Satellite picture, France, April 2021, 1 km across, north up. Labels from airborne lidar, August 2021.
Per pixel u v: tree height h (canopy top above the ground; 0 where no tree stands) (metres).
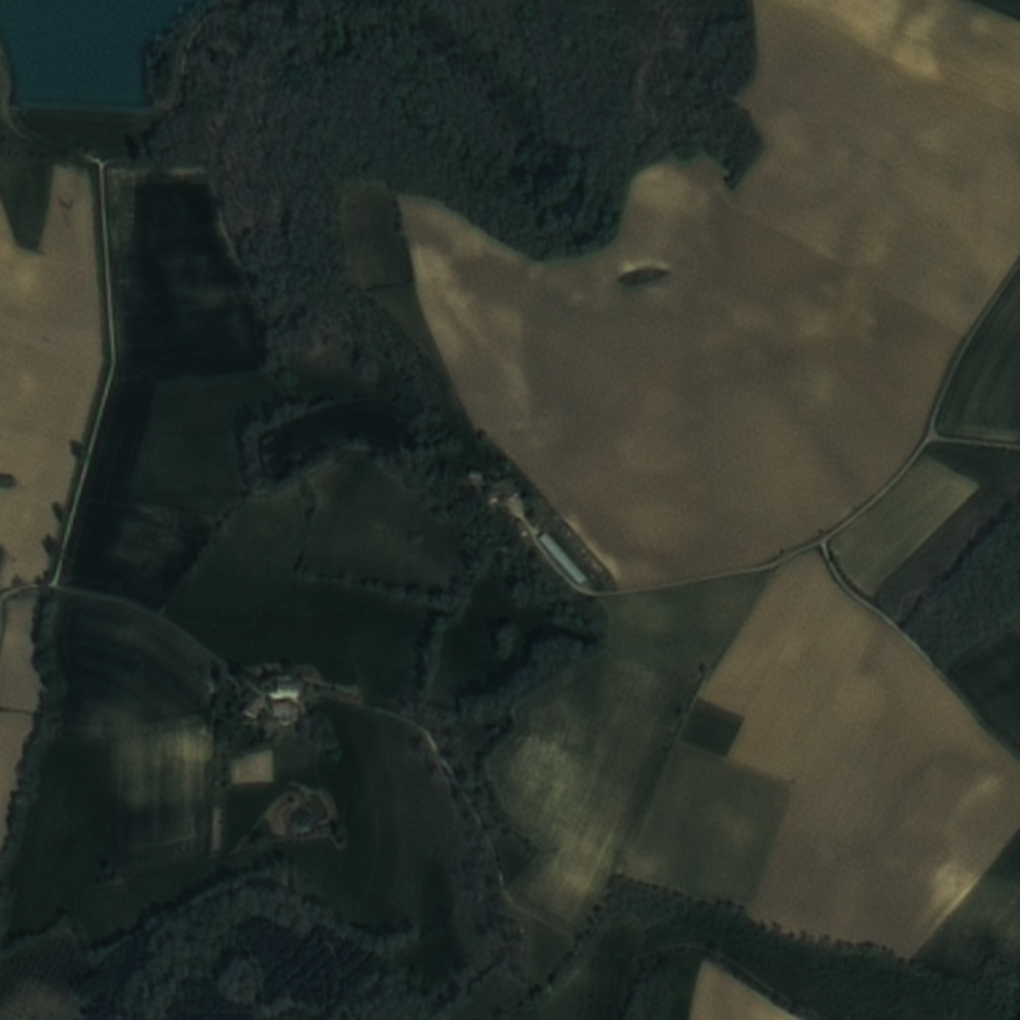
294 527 0
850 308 0
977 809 0
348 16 28
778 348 0
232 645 0
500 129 20
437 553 0
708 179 0
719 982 0
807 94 0
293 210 18
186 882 0
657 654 0
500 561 11
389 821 0
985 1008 9
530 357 0
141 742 0
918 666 0
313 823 0
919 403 0
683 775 0
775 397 0
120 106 0
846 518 0
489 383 0
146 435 0
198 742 0
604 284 0
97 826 0
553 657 22
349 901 0
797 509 0
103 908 0
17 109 0
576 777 0
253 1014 11
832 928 0
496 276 0
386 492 0
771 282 0
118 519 0
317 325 11
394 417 0
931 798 0
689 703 0
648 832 0
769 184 0
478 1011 0
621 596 0
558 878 0
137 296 0
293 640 0
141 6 0
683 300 0
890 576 0
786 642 0
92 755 0
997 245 0
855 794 0
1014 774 0
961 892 0
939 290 0
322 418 0
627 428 0
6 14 0
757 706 0
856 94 0
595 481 0
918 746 0
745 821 0
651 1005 21
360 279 0
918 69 0
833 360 0
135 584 0
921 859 0
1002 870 0
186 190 0
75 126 0
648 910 16
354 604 0
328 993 8
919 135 0
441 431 7
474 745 0
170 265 0
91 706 0
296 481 19
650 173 0
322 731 19
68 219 0
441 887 0
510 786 0
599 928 16
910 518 0
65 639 0
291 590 0
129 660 0
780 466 0
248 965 21
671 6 14
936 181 0
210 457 0
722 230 0
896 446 0
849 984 9
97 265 0
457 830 0
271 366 19
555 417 0
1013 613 21
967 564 13
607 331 0
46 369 0
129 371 0
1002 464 0
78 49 0
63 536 0
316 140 10
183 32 14
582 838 0
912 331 0
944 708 0
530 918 0
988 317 0
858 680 0
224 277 0
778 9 0
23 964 6
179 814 0
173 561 0
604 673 0
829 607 0
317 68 19
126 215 0
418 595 14
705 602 0
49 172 0
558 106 22
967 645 13
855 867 0
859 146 0
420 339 0
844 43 0
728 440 0
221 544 0
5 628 0
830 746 0
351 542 0
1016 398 0
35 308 0
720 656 0
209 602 0
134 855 0
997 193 0
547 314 0
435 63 23
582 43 20
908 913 0
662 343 0
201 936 27
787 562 0
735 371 0
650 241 0
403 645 0
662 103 10
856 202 0
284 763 0
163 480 0
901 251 0
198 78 14
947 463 0
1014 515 15
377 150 19
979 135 0
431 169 20
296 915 21
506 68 21
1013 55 0
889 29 0
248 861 0
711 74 7
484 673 0
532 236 13
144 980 17
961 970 0
